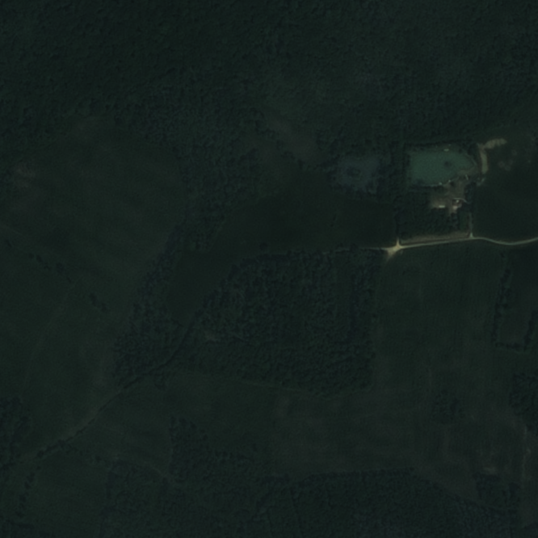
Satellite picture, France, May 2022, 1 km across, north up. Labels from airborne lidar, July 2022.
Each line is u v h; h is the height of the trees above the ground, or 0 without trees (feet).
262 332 69
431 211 27
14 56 73
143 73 83
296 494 69
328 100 85
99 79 85
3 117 93
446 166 24
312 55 76
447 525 58
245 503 68
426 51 72
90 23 57
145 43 90
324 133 82
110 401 19
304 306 82
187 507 69
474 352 0
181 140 86
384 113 73
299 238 0
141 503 45
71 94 86
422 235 26
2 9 86
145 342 94
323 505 79
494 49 82
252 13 73
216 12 91
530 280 0
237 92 82
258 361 67
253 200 86
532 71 52
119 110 76
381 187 72
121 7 87
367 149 28
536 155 0
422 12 64
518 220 0
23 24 67
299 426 0
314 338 72
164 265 94
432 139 82
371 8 56
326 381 58
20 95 88
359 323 89
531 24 86
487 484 85
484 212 0
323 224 0
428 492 58
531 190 0
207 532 74
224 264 0
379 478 46
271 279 86
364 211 0
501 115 78
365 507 71
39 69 95
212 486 73
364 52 78
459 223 45
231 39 73
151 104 81
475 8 72
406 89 77
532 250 0
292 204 0
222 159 101
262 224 0
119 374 55
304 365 62
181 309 0
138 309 73
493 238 0
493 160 0
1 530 67
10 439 45
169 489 37
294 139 0
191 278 0
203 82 80
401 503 58
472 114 83
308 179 0
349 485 52
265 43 71
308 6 88
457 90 75
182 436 50
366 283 91
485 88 82
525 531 60
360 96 79
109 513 78
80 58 80
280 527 62
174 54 95
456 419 22
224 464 85
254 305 71
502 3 70
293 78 76
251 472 33
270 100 72
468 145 41
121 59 98
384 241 0
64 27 77
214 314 64
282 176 0
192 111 75
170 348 78
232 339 53
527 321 0
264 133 54
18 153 88
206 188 91
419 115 78
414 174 0
